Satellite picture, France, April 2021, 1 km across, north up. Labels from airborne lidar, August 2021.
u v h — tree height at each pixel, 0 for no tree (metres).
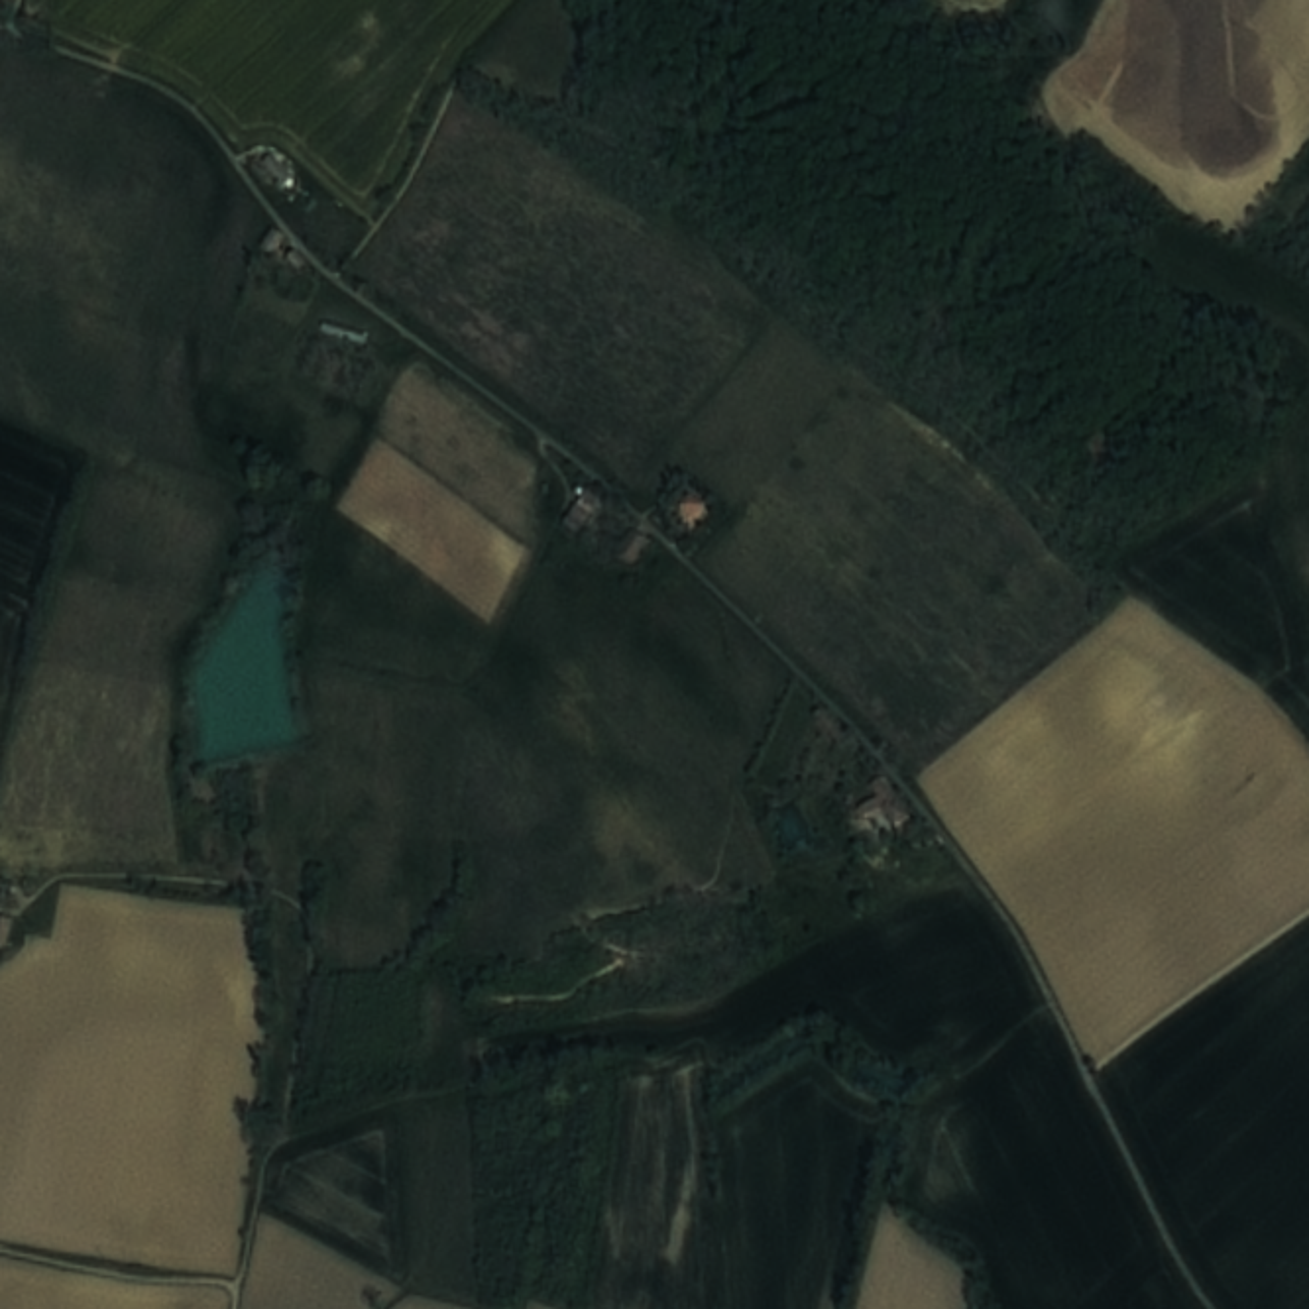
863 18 31
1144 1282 0
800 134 21
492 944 0
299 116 0
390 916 0
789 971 0
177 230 0
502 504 0
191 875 0
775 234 19
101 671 0
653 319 0
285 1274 0
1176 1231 0
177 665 0
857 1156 0
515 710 0
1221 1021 0
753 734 0
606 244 0
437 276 0
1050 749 0
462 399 0
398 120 0
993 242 20
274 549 14
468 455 0
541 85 0
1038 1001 0
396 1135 0
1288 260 11
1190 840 0
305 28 0
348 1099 11
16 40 18
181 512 0
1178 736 0
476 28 0
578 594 0
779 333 0
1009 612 0
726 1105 10
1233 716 0
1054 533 16
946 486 0
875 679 0
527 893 0
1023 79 13
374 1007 8
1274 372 22
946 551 0
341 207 0
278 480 19
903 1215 14
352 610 0
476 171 0
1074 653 0
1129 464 20
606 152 16
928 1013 0
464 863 8
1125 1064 0
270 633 0
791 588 0
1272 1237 0
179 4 0
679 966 19
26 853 0
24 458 0
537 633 0
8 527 0
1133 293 28
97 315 0
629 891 0
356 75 0
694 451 0
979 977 0
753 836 0
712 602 0
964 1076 0
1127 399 25
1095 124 0
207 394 0
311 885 8
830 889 0
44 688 0
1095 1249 0
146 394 0
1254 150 0
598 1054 26
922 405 11
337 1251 0
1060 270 27
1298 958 0
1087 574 12
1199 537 0
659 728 0
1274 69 0
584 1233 12
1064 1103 0
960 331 24
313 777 0
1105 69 0
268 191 0
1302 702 0
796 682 6
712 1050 0
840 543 0
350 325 0
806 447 0
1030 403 21
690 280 0
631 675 0
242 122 0
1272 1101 0
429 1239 0
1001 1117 0
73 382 0
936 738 0
